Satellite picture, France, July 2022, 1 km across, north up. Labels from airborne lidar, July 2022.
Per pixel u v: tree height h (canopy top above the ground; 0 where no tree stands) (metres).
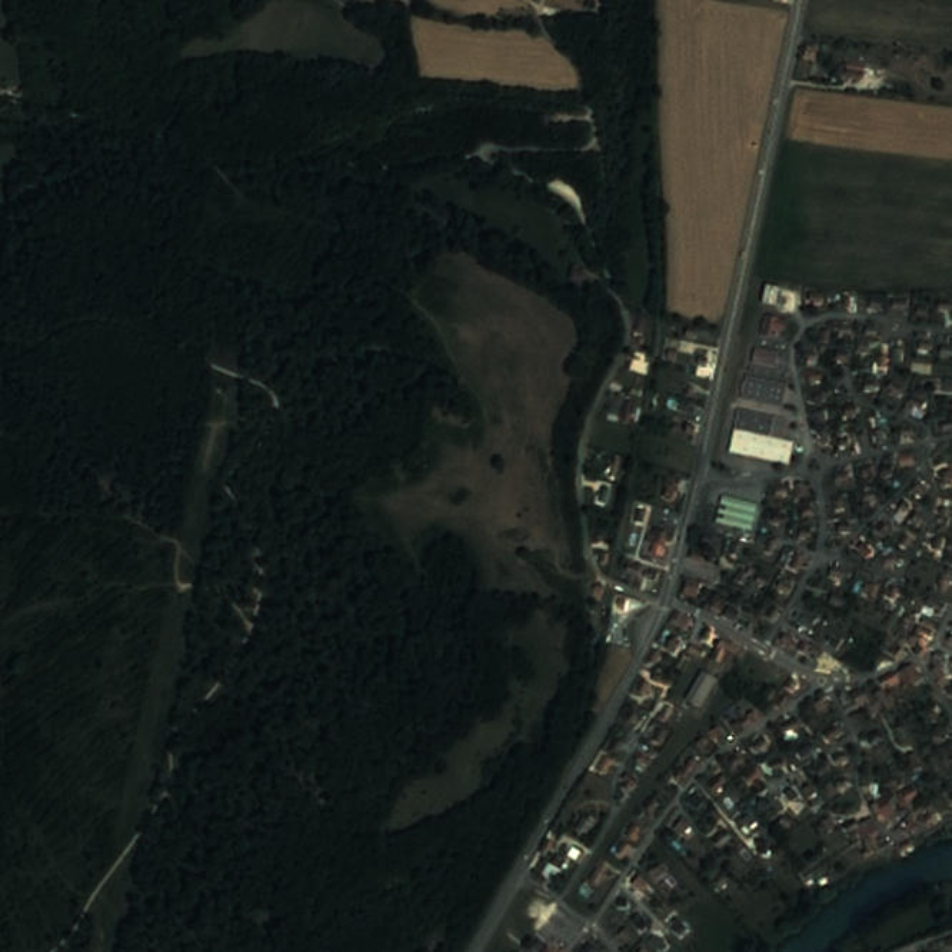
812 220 0
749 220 0
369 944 23
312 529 29
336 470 23
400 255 26
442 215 8
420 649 33
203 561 11
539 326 0
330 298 17
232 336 8
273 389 17
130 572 6
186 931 30
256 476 30
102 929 0
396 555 20
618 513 11
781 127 0
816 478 0
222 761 27
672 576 0
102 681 0
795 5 0
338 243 17
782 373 0
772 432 0
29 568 6
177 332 19
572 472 8
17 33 20
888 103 0
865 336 0
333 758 20
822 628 0
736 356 0
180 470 19
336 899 25
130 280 19
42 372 14
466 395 25
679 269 0
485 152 0
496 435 0
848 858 0
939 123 0
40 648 5
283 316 31
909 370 10
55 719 7
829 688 0
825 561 0
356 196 28
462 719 27
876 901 0
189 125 22
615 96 22
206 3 19
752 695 7
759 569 7
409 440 21
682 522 0
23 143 9
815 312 11
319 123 14
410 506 0
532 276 22
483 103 20
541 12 0
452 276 0
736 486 0
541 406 0
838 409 6
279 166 25
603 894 0
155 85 18
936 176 0
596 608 18
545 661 0
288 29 0
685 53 0
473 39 0
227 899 27
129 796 0
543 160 10
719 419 0
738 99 0
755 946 18
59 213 29
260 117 26
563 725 26
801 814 0
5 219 18
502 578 0
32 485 12
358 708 26
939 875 0
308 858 24
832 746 0
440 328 0
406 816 0
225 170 30
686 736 0
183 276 24
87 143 24
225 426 0
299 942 23
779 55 0
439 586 13
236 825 23
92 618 7
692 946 0
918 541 0
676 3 0
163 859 29
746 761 6
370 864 22
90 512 17
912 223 0
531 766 21
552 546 0
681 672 7
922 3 0
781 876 0
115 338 13
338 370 28
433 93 9
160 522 17
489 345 0
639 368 0
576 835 7
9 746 6
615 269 21
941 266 0
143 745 0
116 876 0
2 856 8
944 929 8
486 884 20
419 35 0
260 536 22
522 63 0
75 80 15
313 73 19
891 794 8
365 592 30
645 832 0
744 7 0
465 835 21
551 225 0
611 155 14
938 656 0
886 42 0
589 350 19
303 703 26
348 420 20
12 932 8
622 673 0
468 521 0
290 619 25
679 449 0
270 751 21
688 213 0
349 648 26
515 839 17
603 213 10
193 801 26
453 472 0
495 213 0
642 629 0
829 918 0
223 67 7
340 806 25
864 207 0
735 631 0
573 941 0
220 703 7
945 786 7
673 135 0
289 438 18
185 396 11
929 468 0
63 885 7
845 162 0
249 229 6
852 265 0
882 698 0
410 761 29
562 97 14
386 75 19
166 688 0
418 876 20
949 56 9
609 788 0
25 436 14
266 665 28
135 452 14
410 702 30
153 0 14
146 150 21
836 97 0
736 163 0
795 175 0
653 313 15
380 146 8
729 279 0
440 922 17
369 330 25
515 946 0
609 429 0
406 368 30
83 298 13
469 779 0
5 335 36
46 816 8
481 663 29
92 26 14
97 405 12
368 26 21
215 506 18
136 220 19
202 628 22
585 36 21
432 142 8
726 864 7
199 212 17
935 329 0
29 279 24
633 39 18
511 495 0
